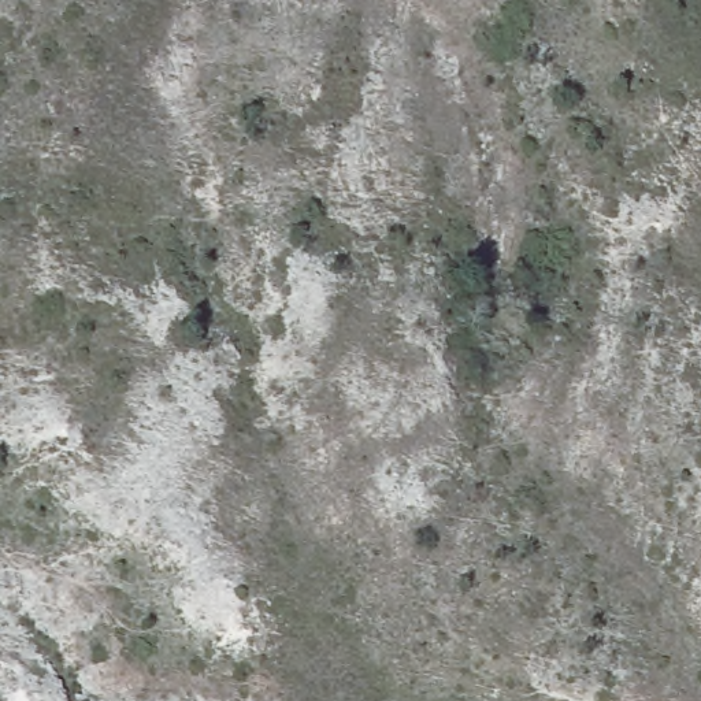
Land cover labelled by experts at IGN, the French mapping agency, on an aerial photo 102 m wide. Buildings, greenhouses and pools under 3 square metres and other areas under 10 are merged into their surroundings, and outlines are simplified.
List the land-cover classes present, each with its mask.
<instances>
[{"label":"bare soil","instance_id":"1","mask_svg":"<svg viewBox=\"0 0 701 701\"><path fill-rule=\"evenodd\" d=\"M175 5L173 22L167 27L170 55H156L145 68L159 93V99L151 104V118L164 126L170 164L183 175V194L197 197L205 205L208 222H214V227L222 235V249H205V257L216 263L219 277L225 279V301L255 323V334L260 340V361L238 353L233 342H219L208 351L181 353L175 342L167 340V329L175 318H183L189 307L175 293V288L164 282L153 285L156 304L137 298L126 288L101 293L104 304H123L140 326V331L137 342L129 345V356H134L137 370L126 392V405L112 419L110 433L101 441V452L90 455L82 444V427L68 424L71 408L63 400V394L52 392L55 378L47 372V353H66L63 342L55 334H47V340L30 351L0 345V444H8V485H14V479L27 468H38V479H30L22 487L30 496L41 487L52 493L60 515V528H99V542H90L77 553L55 556L49 564H44L41 556L30 550V545L25 550L0 556V701H296V696L282 682L263 676L260 668V654L279 652L282 638L277 633L274 613H268L271 597L252 594L238 600L235 594L244 575L257 572L263 567L260 561L246 559L238 550L244 545H257L266 537L268 509L277 498L271 487H263V479L271 471L285 482L288 496L298 504L312 534L326 548L364 556L359 570L353 572L356 613H348V622L361 627V652H370V660L375 665L389 668L392 685H405L408 679H416L413 696L424 693L427 698L452 696L468 701H701V112L687 104L671 107L665 104V99L657 101L660 115L641 126L638 145H627L624 153L635 156L638 151L654 145L663 134L668 159L652 164L649 170L630 173L633 181L643 183V197L635 200L624 194L619 200L616 216L602 214V194L586 186L583 173L570 170L567 162L556 164L561 173V183L556 189L570 192L572 200H578V205L589 214L591 225L597 227V238H608V252H583L586 260L605 263V290L600 293V309L594 315V334L600 340V348L594 356H586V361L578 370L559 361L556 351L550 348H542L520 370V392H504L501 386L482 392L476 383H463L446 370L444 345L452 331L444 323L438 307L433 304L444 260L441 255H433L430 238H449L452 230L446 227V216L474 222L476 233L485 241H496L498 249L496 263L485 268V290L487 318H496L490 334L498 342L512 340V345H520V334L528 326V312L539 320L550 315L545 304L528 307L526 298L498 296L496 266L501 271H512L526 227H545V222L537 219L531 211H523L526 192L512 178V170L520 164L523 153L520 140L531 145V151H537L539 140H548L567 123L553 104V85L559 82L553 79V71L548 66H537V44H528V60L509 63H493L474 47L476 22L485 16H498L504 0H170ZM252 99H266V115L274 118V126H266V134L260 140H255L252 131H246L241 123V104ZM307 197L326 200L329 216L340 225L353 227L351 246H334L331 252L318 257L301 252L290 241L293 219L288 211L296 203H307ZM238 372L255 378V392L266 403V413L255 419V427H279L285 438L282 452L252 455L249 471L233 466V457L219 460L208 452L219 444L225 430V419L214 400V389H230L238 381ZM520 537L539 539V553L528 556L526 561L496 559V550L501 545H509ZM107 586L126 591L134 605L148 611L142 622L145 627H159L156 654L145 657L140 665H131L120 657V641L115 638V630L123 627V613L110 605ZM594 19L613 25L635 19V27L641 33L652 27L649 16L643 14V0H591ZM611 96L633 99V71H622L613 79ZM25 277L36 282L41 293H47L63 277V268L49 255V249H38V263L33 268H25Z\"/></svg>","mask_w":701,"mask_h":701},{"label":"herbaceous vegetation","instance_id":"2","mask_svg":"<svg viewBox=\"0 0 701 701\"><path fill-rule=\"evenodd\" d=\"M175 5L170 0H0V345L30 351L47 340V334H55L63 342L66 353H47V372L55 378L52 392L63 394V400L71 408L68 424L82 427V444L90 455L101 452V441L110 433L112 419L126 405V392L137 370L134 356H129V345L137 342L140 331V326L123 304H104L101 293L126 288L137 298L156 304L153 285L164 282L175 288V293L189 307L183 318H175L167 329V340L175 342L181 353L208 351L219 342H233L238 353L260 361V340L255 334V323L225 301V279L219 277L216 263L205 257V249H222V235L214 227V222H208L205 205L197 197L183 194V175L170 164L164 126L151 118V104L159 99V93L145 68L156 55H170L167 27L173 22ZM38 249H49V255L63 268V277L47 293H41L36 282L25 277V268H33L38 263ZM643 14L649 16L652 27L641 33L635 27V19L613 25L594 19L591 0H504L498 16H485L476 22L474 47L493 63H509L528 60V44H537V66H548L553 71V79L559 82L553 85V104L567 123L548 140H539L537 151H531V145L520 140L523 153L520 164L512 170V178L526 192L523 211H531L537 219L545 222V227H526L512 271H501L496 266L498 296L526 298L528 307L545 304L550 315L539 320L528 312V326L520 334V345H512V340L498 342L490 334L496 318H487L485 290L452 288L449 277L468 260H476L485 268L496 263L498 249L496 241H485L476 233L474 222L446 216V227L452 230L449 238H430L433 255H441L444 260L433 304L438 307L444 323L452 331L444 345L446 370L463 383H476L482 392L501 386L504 392H520V370L542 348H550L556 351L559 361L578 370L586 361V356H594L600 348V340L594 334V315L600 309V293L605 290V263L586 260L583 252H608V238H597V227L591 225L589 214L578 205V200H572L570 192L556 189L561 183V173L556 164L567 162L570 170L583 173L586 186L602 194V214L616 216L619 200L624 194L635 200L643 197V183L633 181L630 173L649 170L652 164L668 159L663 134L654 145L638 151L635 156L624 153L627 145H638L641 126L660 115L657 101L665 99V104L671 107L687 104L701 112V0H643ZM622 71H633V99L611 96L613 79ZM241 123L246 131H252L255 140H260L266 134V126H274V118L266 115V99H252L241 104ZM293 219L290 241L301 252L318 257L331 252L334 246H351L353 227L340 225L329 216L326 200L307 197V203H296L288 211ZM214 400L225 419V430L219 444L208 452L219 460L233 457V466L249 471L252 455L282 452L285 438L279 427H255V419L266 413V403L255 392V378L238 372V381L230 389H214ZM8 444H0V556L25 550L30 545V550L41 556L44 564H49L55 556L77 553L90 542H99V528H60V515L52 493L41 487L30 496L22 487L30 479H38V468H27L14 479V485H8ZM263 487H271L277 498L268 509L266 537L257 545H244L238 550L246 559L260 561L263 567L257 572L244 575L235 594L238 600L252 594L271 597L268 613H274L277 633L282 638L279 652L260 654V668L263 676L282 682L296 696V701H468L452 696L427 698L424 693L413 696L416 679H408L405 685H392L389 668L375 665L370 660V652H361V627L348 622V613H356L353 572L359 570L364 556L326 548L312 534L298 504L288 496L285 482L271 471L263 479ZM539 553V539L520 537L509 545H501L496 550V559L526 561L528 556ZM110 605L123 613V627L115 630V638L120 641V657L131 665H140L145 657L156 654L159 627H145L142 622L148 611L134 605L126 591L107 586Z\"/></svg>","mask_w":701,"mask_h":701},{"label":"deciduous trees","instance_id":"3","mask_svg":"<svg viewBox=\"0 0 701 701\"><path fill-rule=\"evenodd\" d=\"M452 288L485 290V268L476 260H468L449 277Z\"/></svg>","mask_w":701,"mask_h":701}]
</instances>
